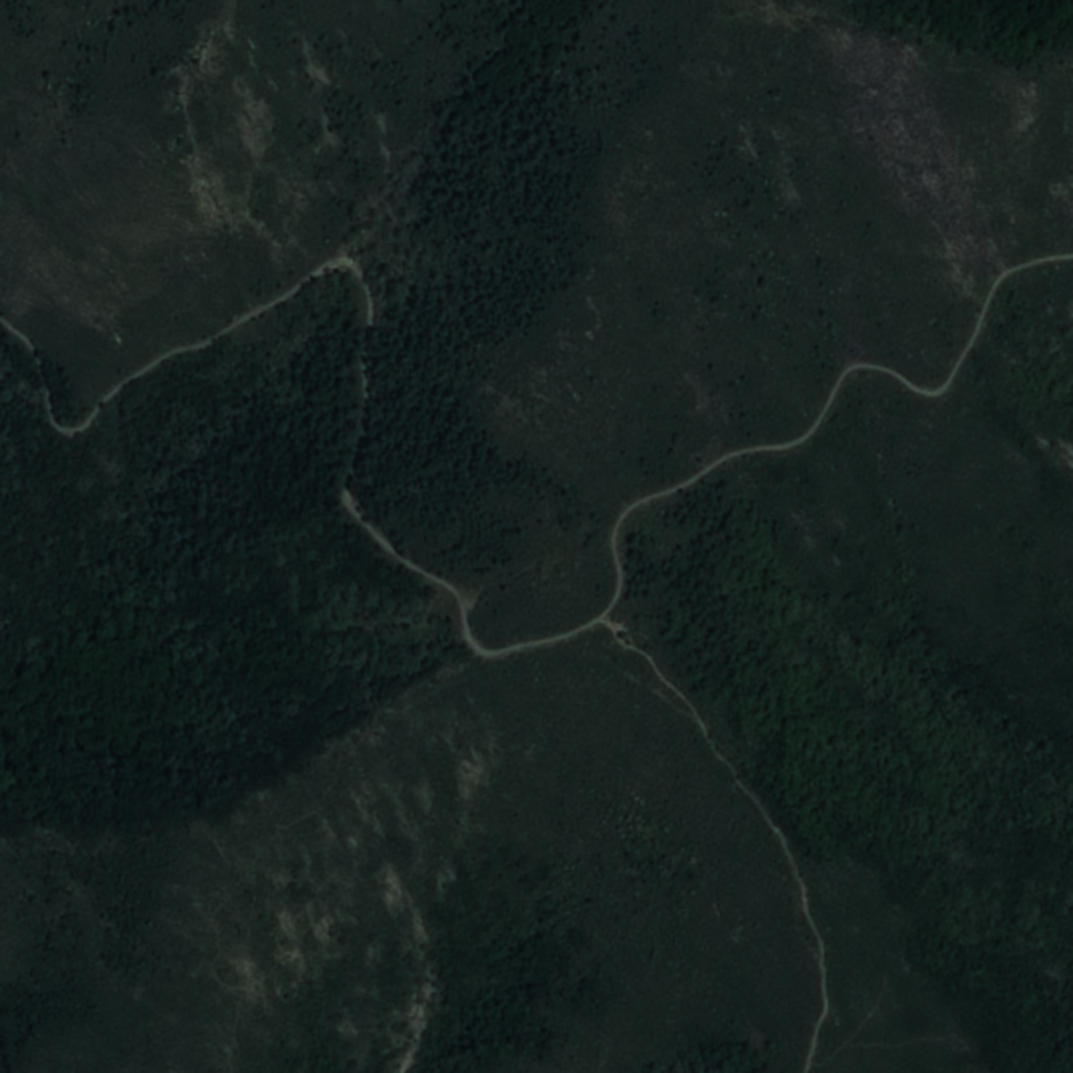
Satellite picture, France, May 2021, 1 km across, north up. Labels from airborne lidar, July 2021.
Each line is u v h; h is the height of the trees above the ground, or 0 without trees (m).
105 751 10
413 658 8
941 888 7
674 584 10
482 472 20
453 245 7
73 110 7
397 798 0
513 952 15
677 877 6
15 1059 7
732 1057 16
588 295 0
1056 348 16
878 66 0
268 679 16
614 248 0
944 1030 0
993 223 0
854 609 6
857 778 17
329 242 9
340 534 10
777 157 0
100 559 14
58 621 8
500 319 9
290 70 0
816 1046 0
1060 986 9
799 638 6
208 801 17
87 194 0
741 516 15
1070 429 8
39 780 20
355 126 11
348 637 15
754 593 10
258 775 13
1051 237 0
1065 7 23
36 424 11
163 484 9
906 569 13
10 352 16
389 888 0
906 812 7
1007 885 6
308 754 9
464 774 0
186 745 20
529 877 7
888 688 8
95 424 10
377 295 8
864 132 0
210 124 0
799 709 15
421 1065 8
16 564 9
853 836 13
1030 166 0
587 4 15
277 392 7
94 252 0
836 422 12
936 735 18
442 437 13
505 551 6
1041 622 6
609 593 7
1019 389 6
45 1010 8
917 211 0
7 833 11
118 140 0
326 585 13
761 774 7
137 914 8
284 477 15
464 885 6
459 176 18
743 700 14
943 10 19
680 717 0
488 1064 6
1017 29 17
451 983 8
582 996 7
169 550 21
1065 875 8
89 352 0
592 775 7
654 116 0
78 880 8
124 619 27
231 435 13
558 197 9
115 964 9
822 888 0
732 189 8
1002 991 11
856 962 0
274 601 17
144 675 28
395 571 7
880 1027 0
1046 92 0
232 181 0
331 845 0
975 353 9
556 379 0
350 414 22
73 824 17
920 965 8
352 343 12
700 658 13
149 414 12
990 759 7
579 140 11
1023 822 11
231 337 10
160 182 0
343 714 9
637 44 7
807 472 9
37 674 28
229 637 17
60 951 5
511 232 9
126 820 11
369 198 18
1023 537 6
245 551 9
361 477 13
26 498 6
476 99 22
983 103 0
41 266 0
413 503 18
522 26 20
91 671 23
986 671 8
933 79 0
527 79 7
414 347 12
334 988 6
